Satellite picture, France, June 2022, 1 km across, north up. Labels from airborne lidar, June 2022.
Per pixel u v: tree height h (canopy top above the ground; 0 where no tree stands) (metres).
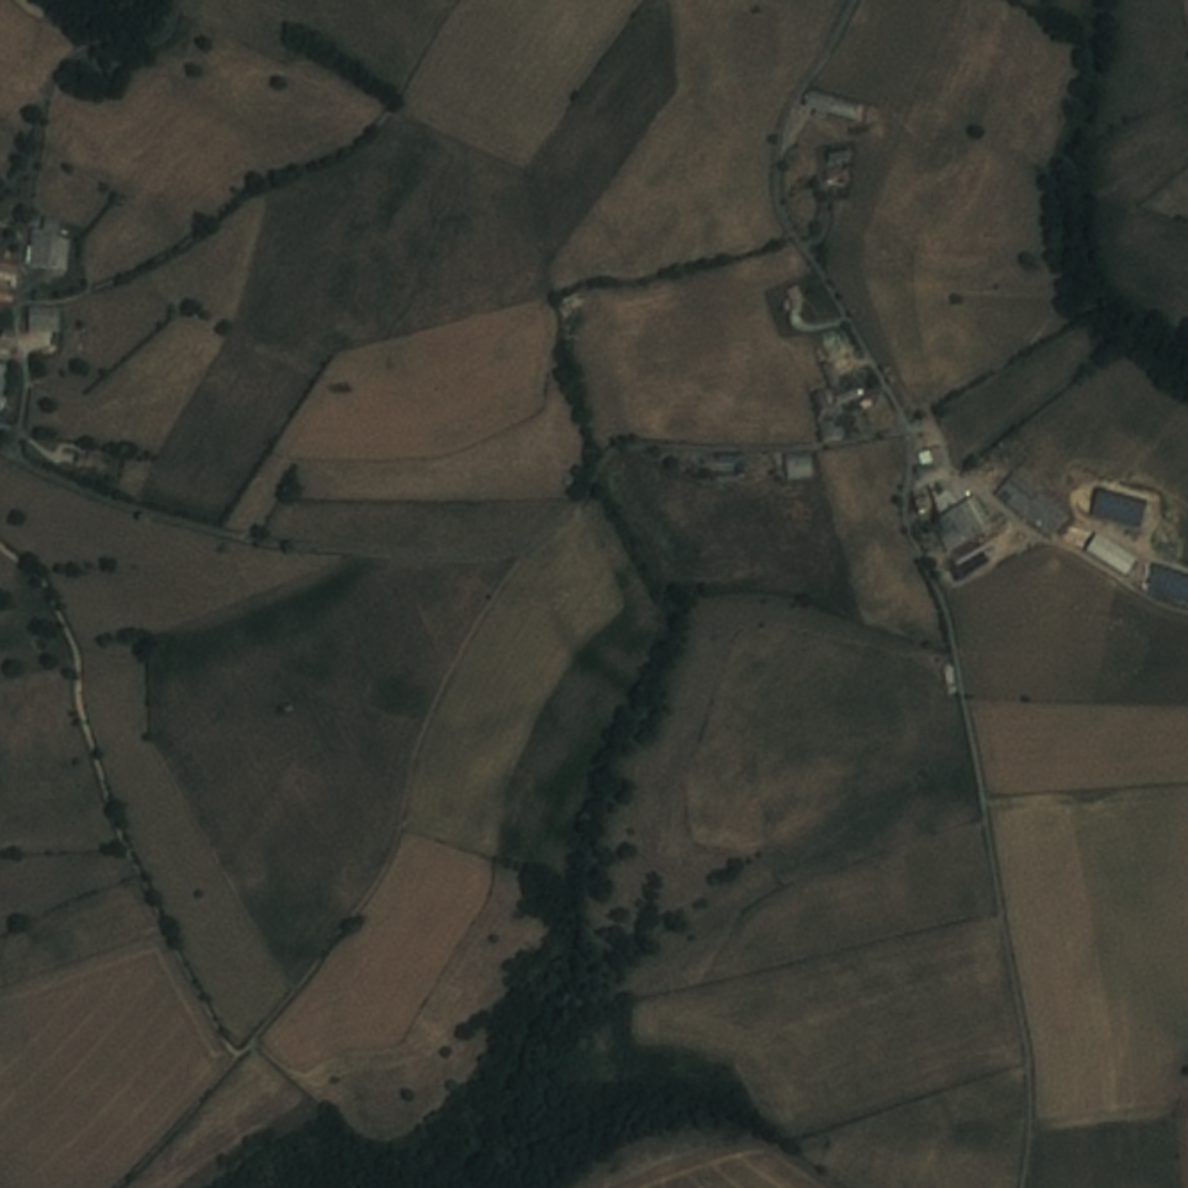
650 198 0
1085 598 0
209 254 0
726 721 0
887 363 0
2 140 0
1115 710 0
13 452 0
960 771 0
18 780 0
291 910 0
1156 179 0
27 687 0
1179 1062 0
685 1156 0
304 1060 0
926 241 0
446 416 0
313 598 0
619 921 14
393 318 0
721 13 0
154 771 0
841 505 0
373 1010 0
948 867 0
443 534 0
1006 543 0
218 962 0
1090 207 18
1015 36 0
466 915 0
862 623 0
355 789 0
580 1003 14
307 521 0
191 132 0
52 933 0
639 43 0
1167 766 0
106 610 0
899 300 0
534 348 0
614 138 0
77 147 0
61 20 14
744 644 0
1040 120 0
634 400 0
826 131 0
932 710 0
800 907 0
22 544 0
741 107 0
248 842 0
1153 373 14
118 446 13
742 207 0
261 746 0
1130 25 0
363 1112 0
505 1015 20
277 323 0
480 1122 9
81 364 14
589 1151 13
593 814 19
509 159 0
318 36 12
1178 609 0
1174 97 0
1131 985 0
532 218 0
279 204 0
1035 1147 0
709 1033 0
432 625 0
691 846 0
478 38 0
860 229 0
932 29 0
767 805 0
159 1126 0
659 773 0
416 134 0
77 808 0
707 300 0
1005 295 0
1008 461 0
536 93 0
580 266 0
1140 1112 0
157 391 0
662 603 8
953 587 0
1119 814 0
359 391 0
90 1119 0
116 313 0
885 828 0
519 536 0
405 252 0
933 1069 0
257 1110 0
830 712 0
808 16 0
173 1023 0
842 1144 0
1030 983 0
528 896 14
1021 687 0
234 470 0
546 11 0
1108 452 0
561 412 0
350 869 0
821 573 0
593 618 0
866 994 0
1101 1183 0
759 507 0
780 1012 0
